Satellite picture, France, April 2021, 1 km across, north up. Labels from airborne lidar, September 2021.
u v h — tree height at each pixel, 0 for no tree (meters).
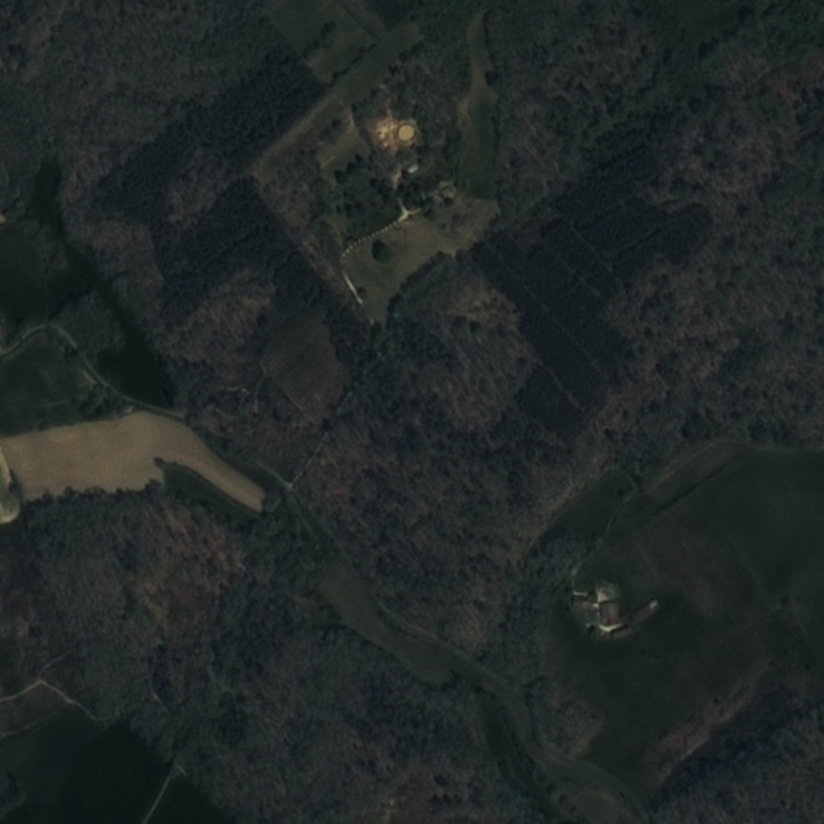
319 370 0
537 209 10
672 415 22
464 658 17
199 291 11
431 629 17
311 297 10
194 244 15
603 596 0
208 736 19
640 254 15
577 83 9
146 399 0
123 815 0
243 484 0
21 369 0
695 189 9
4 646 0
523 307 14
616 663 0
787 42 23
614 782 0
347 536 16
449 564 17
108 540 16
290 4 0
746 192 8
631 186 15
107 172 13
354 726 25
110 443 0
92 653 12
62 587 16
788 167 15
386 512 12
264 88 14
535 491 11
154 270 16
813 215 15
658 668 0
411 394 17
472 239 0
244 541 20
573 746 21
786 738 16
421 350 28
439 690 14
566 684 0
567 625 0
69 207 7
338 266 17
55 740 0
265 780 18
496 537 10
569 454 9
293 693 23
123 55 17
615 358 12
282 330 0
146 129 17
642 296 15
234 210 14
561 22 18
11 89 14
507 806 19
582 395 13
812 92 7
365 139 14
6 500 0
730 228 12
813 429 13
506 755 0
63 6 19
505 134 16
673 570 0
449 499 12
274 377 0
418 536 18
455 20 16
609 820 0
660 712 0
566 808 14
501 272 13
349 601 0
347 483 9
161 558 20
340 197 6
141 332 14
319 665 25
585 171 14
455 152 16
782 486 0
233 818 12
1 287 0
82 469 0
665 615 0
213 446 15
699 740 11
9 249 0
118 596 11
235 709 12
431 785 6
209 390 26
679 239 14
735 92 21
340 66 0
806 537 0
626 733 0
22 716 0
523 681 24
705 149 10
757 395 13
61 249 23
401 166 11
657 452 23
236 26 11
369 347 14
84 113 7
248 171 8
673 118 14
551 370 13
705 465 0
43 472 0
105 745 0
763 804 11
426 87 15
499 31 20
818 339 12
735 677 0
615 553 0
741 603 0
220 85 16
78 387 0
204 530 19
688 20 0
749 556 0
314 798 22
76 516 25
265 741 22
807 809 12
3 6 12
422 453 24
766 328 19
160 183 14
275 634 22
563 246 15
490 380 8
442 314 8
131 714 6
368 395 25
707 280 17
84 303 14
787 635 0
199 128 13
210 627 9
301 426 15
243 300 16
